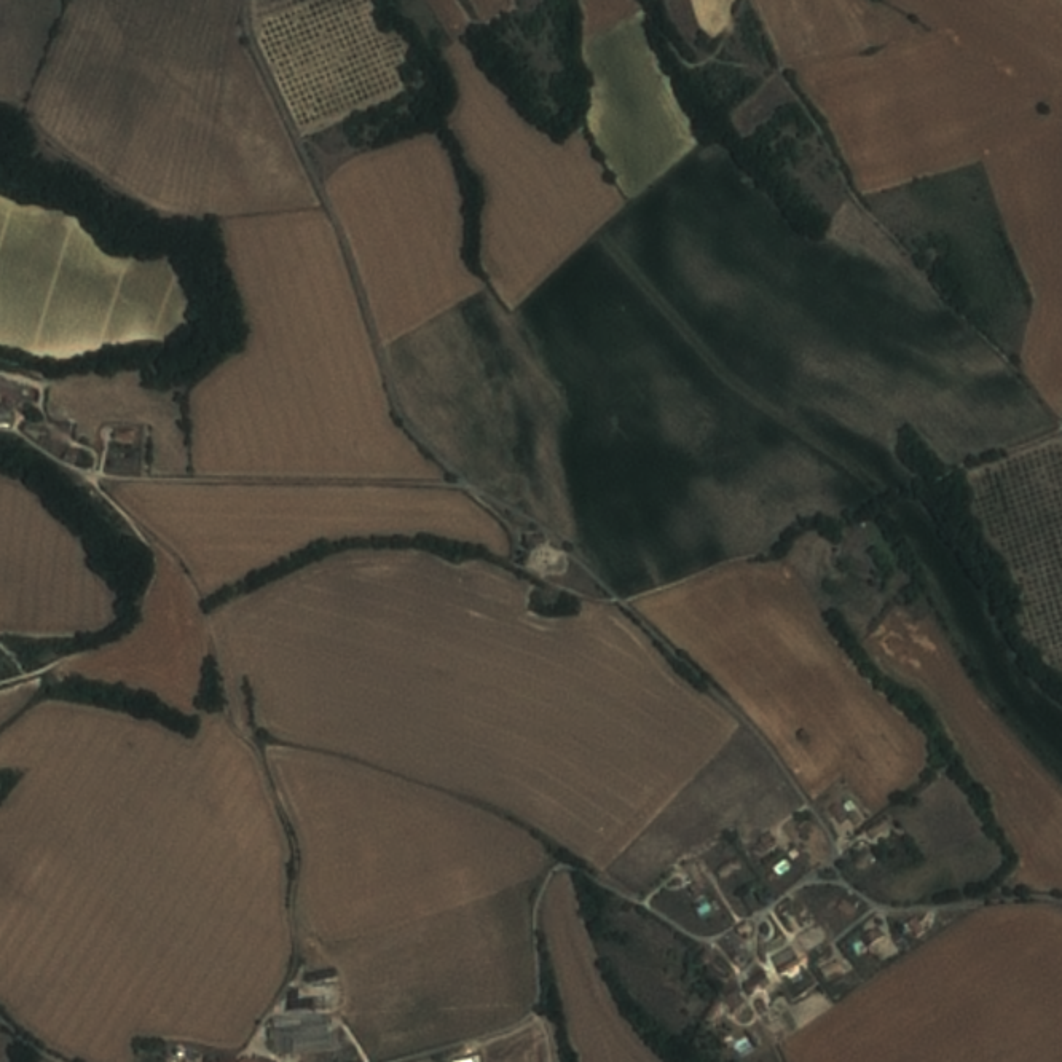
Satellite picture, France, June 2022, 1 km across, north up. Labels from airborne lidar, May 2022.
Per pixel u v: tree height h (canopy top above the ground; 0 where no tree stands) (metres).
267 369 0
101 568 19
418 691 0
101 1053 0
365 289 0
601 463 0
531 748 0
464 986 0
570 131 12
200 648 0
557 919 0
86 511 11
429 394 0
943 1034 0
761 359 0
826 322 0
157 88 0
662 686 0
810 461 0
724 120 14
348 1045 0
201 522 0
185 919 0
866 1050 0
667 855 0
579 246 0
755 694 0
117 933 0
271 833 0
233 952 0
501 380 0
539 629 0
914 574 15
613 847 0
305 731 0
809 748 0
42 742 0
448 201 0
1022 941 0
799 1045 0
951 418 0
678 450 0
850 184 7
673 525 0
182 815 0
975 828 0
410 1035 0
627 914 8
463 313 0
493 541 0
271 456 0
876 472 0
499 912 0
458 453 0
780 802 0
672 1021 0
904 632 0
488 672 0
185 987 0
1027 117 0
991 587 18
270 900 0
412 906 0
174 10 0
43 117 0
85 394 0
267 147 0
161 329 0
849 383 0
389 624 0
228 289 11
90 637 9
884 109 0
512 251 0
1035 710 0
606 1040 0
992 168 0
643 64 0
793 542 15
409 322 0
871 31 0
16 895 0
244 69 0
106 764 0
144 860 0
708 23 0
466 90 0
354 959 0
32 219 0
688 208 0
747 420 0
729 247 0
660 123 0
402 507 0
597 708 0
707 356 0
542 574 0
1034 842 0
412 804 0
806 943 0
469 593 0
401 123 8
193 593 0
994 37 0
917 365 0
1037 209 0
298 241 0
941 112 0
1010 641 14
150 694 7
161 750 0
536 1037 0
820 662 0
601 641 0
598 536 0
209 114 0
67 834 0
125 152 0
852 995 0
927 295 0
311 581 0
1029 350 0
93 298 0
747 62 0
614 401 0
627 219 0
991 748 0
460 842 0
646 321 0
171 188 0
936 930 0
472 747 0
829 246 0
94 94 0
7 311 0
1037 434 0
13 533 0
